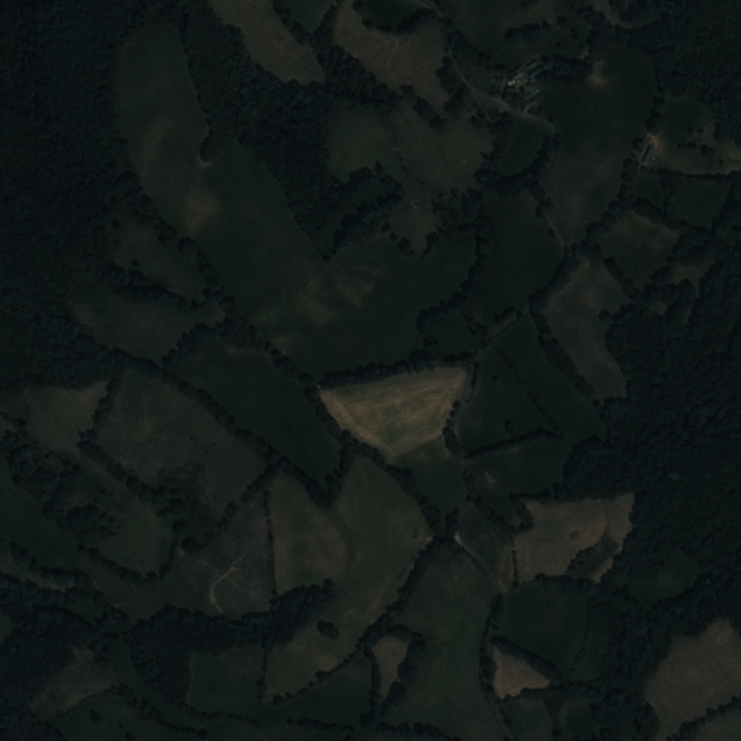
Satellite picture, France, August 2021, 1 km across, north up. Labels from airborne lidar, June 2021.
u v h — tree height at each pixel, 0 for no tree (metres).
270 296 0
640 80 0
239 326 15
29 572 16
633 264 0
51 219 21
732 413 23
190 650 13
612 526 0
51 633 30
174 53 0
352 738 11
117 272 16
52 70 23
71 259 20
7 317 26
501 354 9
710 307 28
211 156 18
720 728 0
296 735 0
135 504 0
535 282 0
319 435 0
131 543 0
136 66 0
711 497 29
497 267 0
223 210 0
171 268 0
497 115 6
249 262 0
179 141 0
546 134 0
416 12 0
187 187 0
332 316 0
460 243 0
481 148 0
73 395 0
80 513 15
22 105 22
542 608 0
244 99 18
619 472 25
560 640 0
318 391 13
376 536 0
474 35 0
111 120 19
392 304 0
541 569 0
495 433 0
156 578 16
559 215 0
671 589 0
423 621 0
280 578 0
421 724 0
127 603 0
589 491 22
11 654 23
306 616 16
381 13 0
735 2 20
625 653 19
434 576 0
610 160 0
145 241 0
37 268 24
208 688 0
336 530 0
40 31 16
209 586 0
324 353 0
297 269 0
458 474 0
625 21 13
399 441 0
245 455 0
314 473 0
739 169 0
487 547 0
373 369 13
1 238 23
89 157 22
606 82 0
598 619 6
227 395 0
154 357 0
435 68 0
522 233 0
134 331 0
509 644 15
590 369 0
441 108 0
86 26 21
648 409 29
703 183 12
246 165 0
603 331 0
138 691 0
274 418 0
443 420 0
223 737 0
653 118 8
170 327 0
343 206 28
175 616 19
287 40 0
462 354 0
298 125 24
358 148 0
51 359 25
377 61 0
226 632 17
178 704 9
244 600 0
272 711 0
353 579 0
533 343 0
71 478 16
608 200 0
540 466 0
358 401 0
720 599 27
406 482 21
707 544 24
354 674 0
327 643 0
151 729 0
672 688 0
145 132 0
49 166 25
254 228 0
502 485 0
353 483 0
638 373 25
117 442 0
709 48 18
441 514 14
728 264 20
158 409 0
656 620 10
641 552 24
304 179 23
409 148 0
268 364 0
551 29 18
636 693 21
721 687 0
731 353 21
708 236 18
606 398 0
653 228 0
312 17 0
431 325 22
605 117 0
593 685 7
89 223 24
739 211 21
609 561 0
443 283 0
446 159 0
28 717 26
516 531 13
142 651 8
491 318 0
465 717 0
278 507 0
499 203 0
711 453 31
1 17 24
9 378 23
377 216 14
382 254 0
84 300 0
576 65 16
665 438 33
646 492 21
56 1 24
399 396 0
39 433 0
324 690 0
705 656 0
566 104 0
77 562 0
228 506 0
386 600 0
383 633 14
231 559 0
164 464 0
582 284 0
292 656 0
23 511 0
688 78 22
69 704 0
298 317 0
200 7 19
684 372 25
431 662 0
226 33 21
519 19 0
